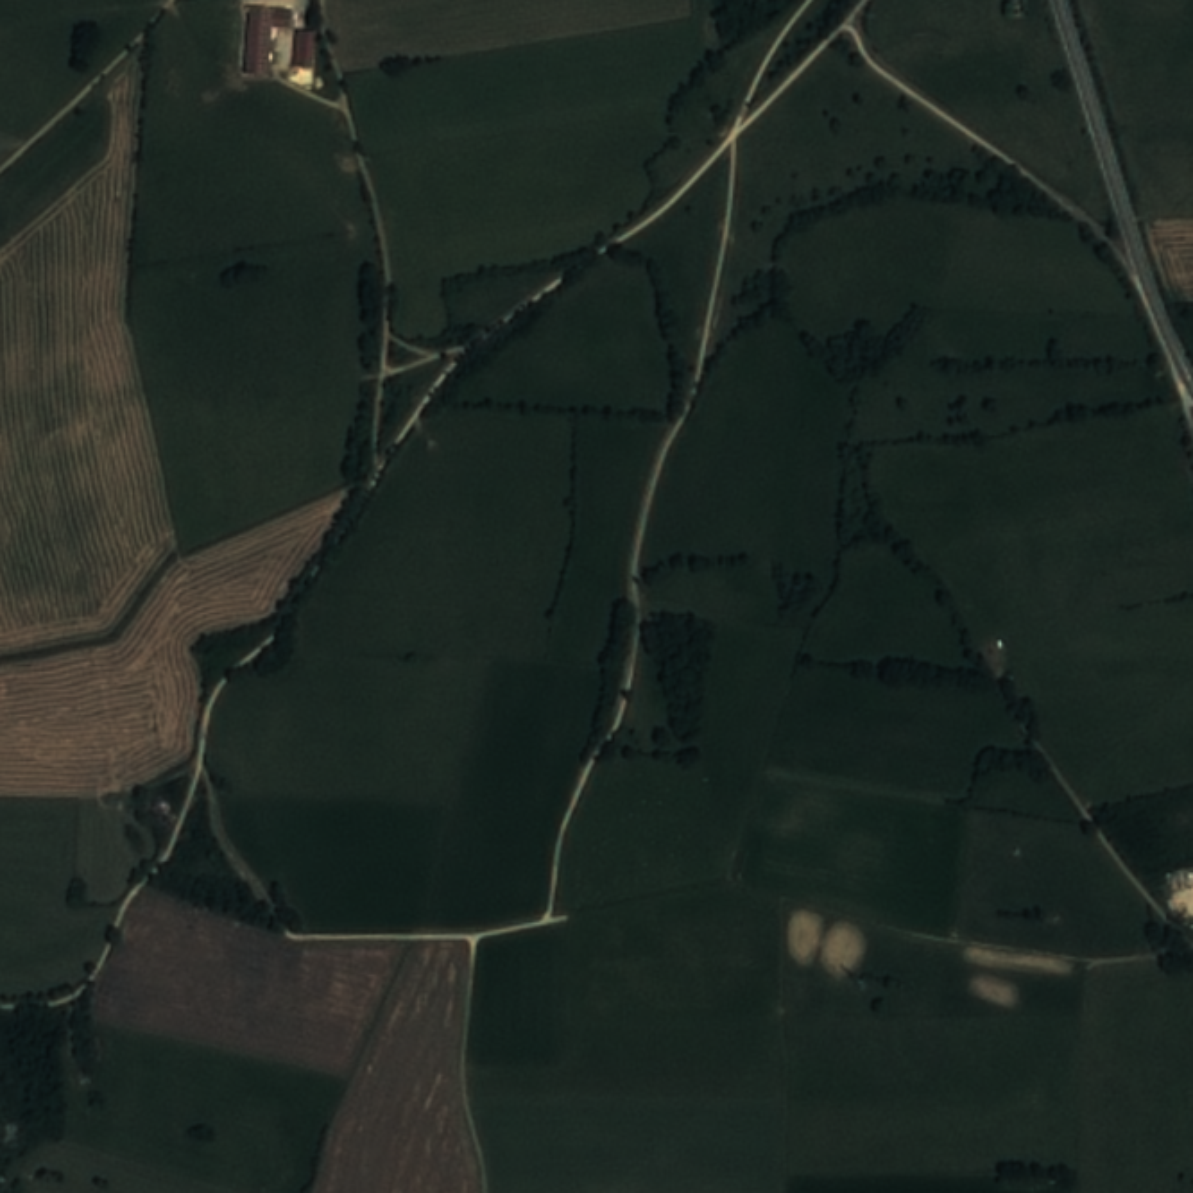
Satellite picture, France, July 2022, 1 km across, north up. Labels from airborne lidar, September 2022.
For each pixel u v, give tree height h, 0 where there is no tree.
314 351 0
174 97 0
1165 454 0
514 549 0
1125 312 0
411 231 0
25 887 0
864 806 0
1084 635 0
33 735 0
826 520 0
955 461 0
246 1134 0
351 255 0
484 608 0
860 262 0
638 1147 0
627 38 0
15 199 0
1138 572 0
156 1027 0
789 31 0
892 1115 0
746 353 0
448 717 0
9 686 0
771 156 0
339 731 0
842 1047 0
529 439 0
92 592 0
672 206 0
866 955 0
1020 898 0
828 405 0
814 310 0
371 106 0
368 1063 0
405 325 0
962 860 0
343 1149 0
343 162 0
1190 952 12
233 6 0
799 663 6
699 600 0
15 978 0
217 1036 0
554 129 0
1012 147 0
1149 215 0
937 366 7
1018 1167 14
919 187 9
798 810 0
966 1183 0
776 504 0
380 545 0
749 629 0
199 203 0
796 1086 0
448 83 0
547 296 10
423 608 0
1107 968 0
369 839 0
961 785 0
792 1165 0
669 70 0
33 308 0
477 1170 0
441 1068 0
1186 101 0
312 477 0
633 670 0
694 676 18
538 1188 0
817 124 0
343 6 0
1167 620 0
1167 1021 0
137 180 0
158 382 0
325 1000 0
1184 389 0
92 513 0
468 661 0
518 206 0
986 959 0
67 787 0
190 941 0
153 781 0
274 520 0
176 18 0
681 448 0
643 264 14
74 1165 0
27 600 0
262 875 0
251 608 0
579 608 0
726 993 0
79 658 0
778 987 0
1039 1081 0
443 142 0
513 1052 0
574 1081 0
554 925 0
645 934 0
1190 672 0
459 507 0
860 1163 0
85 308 0
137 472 0
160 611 0
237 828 0
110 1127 0
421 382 0
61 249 0
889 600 0
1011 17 8
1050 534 0
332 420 0
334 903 0
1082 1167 0
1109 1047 0
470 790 0
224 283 6
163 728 0
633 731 7
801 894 0
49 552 0
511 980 0
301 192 0
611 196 0
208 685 8
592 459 0
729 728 0
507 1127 0
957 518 0
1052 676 0
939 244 0
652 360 0
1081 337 0
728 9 13
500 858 0
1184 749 0
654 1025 0
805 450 0
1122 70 0
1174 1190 0
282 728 0
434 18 0
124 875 0
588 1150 0
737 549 0
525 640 0
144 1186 0
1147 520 0
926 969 0
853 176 10
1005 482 0
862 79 0
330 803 0
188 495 0
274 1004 0
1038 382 0
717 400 0
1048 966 0
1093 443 0
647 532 0
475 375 15
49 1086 8
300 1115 0
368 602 0
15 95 0
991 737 0
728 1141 0
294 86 0
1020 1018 0
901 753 0
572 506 13
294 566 0
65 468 0
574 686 0
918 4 0
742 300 10
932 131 0
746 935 0
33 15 0
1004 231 0
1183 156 0
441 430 0
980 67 0
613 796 0
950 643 0
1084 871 0
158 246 0
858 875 0
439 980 0
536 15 0
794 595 12
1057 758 0
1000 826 0
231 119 0
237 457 0
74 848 0
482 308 0
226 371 0
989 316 0
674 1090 0
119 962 0
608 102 0
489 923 0
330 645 0
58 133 0
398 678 0
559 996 0
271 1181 0
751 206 0
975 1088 0
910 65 0
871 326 15
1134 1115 0
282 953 0
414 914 0
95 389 0
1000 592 0
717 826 0
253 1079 0
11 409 0
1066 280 0
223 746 0
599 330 0
